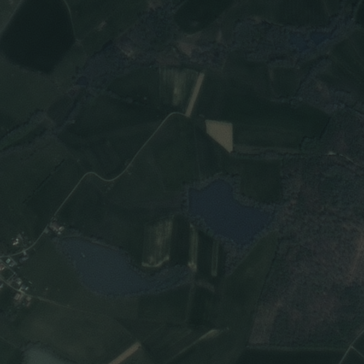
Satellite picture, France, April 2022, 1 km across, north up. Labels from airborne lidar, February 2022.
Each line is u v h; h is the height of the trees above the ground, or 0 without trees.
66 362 11
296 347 10
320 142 9
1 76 0
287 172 15
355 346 0
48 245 0
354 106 7
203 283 0
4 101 0
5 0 0
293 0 0
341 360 0
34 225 0
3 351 0
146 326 0
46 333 0
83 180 0
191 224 0
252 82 0
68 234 0
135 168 0
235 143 0
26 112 0
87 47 0
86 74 22
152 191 0
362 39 0
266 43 17
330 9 0
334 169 27
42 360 0
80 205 0
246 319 0
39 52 0
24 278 0
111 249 0
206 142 0
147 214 0
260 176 0
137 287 0
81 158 0
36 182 0
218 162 0
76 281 0
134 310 0
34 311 0
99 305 0
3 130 0
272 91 0
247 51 0
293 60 0
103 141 0
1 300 0
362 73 0
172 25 16
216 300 0
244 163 0
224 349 0
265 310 0
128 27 0
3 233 0
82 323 0
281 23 0
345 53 0
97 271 0
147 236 0
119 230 0
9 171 0
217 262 0
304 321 13
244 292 0
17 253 0
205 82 0
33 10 0
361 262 0
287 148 0
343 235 23
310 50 24
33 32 0
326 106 10
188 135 0
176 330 0
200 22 0
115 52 19
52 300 0
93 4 0
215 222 0
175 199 0
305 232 24
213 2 0
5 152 17
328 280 22
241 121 0
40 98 0
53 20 0
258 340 0
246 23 17
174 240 0
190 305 0
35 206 0
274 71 0
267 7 0
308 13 0
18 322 0
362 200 21
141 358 0
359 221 23
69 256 15
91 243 0
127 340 0
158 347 0
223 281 0
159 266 0
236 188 15
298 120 0
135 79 0
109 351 0
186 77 0
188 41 0
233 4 0
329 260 23
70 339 0
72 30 0
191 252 0
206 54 0
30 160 0
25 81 0
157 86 0
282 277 10
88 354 0
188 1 0
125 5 0
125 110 0
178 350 0
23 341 0
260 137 0
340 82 0
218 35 0
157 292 10
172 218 0
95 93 21
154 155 0
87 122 0
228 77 0
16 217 0
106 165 0
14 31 0
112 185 0
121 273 0
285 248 25
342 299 15
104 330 0
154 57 22
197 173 0
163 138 0
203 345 0
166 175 0
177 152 0
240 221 0
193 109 0
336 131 11
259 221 0
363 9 0
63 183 0
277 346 8
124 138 0
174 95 0
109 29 0
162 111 0
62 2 0
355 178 26
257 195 0
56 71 0
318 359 0
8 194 0
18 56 0
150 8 0
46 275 0
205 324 0
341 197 18
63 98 0
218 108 0
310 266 25
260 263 0
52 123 0
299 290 11
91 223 0
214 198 0
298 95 9
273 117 0
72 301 0
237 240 0
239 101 0
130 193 0
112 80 8
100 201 0
